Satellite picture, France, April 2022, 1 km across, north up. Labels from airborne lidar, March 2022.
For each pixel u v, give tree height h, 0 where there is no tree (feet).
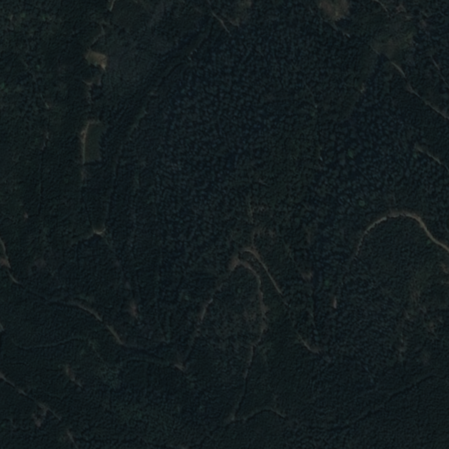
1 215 43
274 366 52
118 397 85
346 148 54
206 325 20
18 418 41
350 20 57
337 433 71
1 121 40
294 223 43
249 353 45
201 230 27
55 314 73
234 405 60
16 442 34
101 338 51
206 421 72
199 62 46
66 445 48
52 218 50
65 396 65
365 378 31
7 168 50
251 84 96
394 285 26
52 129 61
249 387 43
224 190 23
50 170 74
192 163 46
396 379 53
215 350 86
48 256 59
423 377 80
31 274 79
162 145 33
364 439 79
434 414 73
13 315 61
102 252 66
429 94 58
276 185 94
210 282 36
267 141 84
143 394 63
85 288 54
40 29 28
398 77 56
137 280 80
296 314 59
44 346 62
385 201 20
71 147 73
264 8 49
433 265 22
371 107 77
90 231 72
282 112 52
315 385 80
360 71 97
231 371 29
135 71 48
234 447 51
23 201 41
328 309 94
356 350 93
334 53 128
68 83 47
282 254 38
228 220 106
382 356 64
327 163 119
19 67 62
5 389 42
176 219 79
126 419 71
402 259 30
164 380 43
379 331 70
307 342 76
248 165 94
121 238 84
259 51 120
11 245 40
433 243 24
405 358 54
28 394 60
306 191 94
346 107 65
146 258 71
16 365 55
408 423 84
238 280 23
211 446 72
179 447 85
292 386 56
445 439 80
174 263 85
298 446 68
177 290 41
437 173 101
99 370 67
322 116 86
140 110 54
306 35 110
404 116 37
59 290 64
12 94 36
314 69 117
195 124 51
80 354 40
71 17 63
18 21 80
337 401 66
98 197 92
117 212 70
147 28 64
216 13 75
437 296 43
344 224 31
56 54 60
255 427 55
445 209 80
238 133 83
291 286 100
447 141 74
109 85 64
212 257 41
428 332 35
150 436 65
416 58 65
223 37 49
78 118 55
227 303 40
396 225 24
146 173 37
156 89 59
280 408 58
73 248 47
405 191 32
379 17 33
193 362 71
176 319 76
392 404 66
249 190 34
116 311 56
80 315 40
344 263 89
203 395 57
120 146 60
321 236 24
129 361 68
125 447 92
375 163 99
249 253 28
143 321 37
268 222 27
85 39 89
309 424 78
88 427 84
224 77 71
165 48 49
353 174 52
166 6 50
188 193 64
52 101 33
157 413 85
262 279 25
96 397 85
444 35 53
